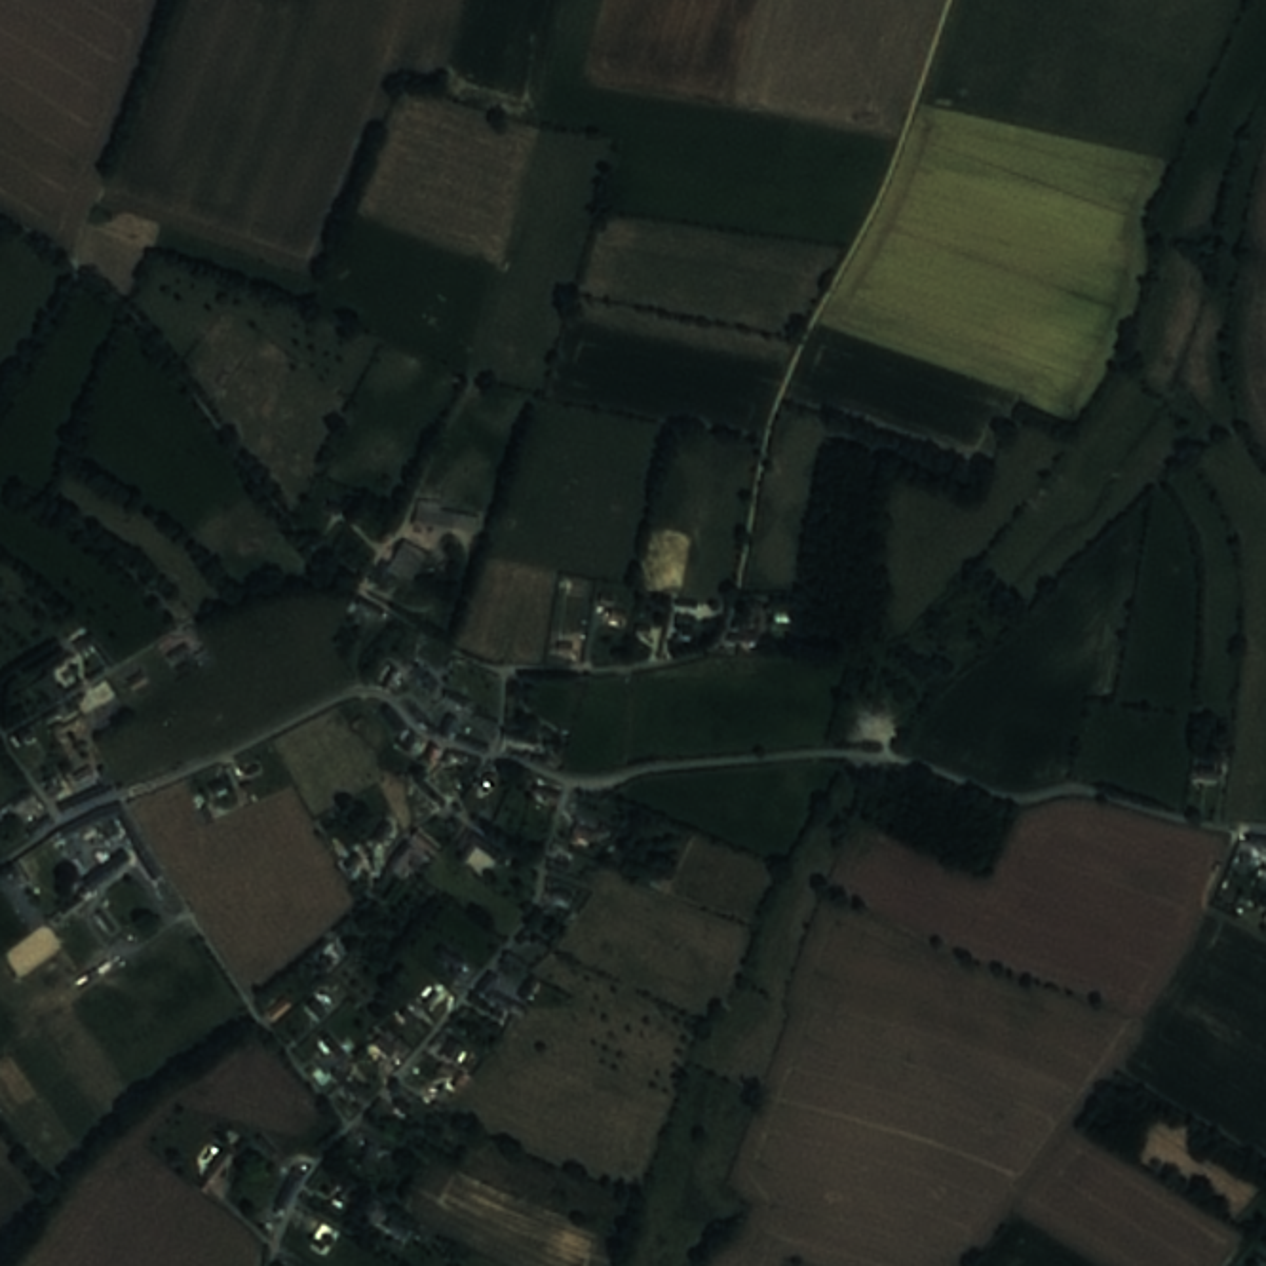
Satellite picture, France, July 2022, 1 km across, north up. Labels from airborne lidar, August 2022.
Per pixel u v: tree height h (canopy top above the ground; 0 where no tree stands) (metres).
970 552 0
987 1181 0
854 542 17
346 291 0
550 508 0
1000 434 17
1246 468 0
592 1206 0
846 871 0
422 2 0
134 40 0
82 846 0
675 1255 0
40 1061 0
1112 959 0
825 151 0
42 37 0
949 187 0
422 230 0
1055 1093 0
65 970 0
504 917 0
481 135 0
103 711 0
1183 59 0
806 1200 0
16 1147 6
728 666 0
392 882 5
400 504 14
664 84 0
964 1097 0
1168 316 0
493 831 16
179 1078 17
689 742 0
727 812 0
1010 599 20
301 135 0
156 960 0
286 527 8
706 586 0
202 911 0
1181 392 0
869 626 15
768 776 0
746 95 0
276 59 0
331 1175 11
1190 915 0
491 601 0
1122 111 0
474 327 0
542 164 0
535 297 0
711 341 0
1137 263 0
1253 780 0
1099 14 0
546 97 0
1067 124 0
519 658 0
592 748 0
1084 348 0
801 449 0
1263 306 0
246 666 0
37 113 0
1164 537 0
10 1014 0
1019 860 0
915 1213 0
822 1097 0
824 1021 0
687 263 0
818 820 15
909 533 0
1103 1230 0
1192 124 10
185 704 0
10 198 0
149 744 0
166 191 0
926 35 0
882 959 0
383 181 0
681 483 0
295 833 0
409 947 6
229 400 0
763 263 0
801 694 0
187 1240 0
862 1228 0
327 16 0
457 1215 0
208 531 0
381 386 0
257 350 0
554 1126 0
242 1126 0
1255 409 0
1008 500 0
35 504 9
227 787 6
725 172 0
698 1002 0
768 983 0
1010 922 0
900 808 11
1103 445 0
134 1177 0
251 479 19
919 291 0
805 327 14
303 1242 0
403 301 0
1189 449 18
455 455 0
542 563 0
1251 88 0
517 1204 0
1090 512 0
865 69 0
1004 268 0
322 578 17
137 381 0
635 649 6
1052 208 0
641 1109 0
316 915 0
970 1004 0
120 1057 0
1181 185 0
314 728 0
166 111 0
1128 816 0
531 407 11
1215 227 9
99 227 0
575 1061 0
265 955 0
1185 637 0
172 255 13
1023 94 0
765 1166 0
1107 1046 0
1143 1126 13
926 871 0
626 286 0
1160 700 0
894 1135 0
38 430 0
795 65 0
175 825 0
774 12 0
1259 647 0
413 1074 0
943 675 8
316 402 0
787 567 0
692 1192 0
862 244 0
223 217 0
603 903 0
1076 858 0
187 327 0
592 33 0
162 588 10
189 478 0
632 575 13
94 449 0
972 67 0
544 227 0
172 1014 0
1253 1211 0
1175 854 0
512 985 0
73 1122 0
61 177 0
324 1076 0
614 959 0
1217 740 13
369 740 0
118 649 0
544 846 6
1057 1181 0
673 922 0
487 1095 0
